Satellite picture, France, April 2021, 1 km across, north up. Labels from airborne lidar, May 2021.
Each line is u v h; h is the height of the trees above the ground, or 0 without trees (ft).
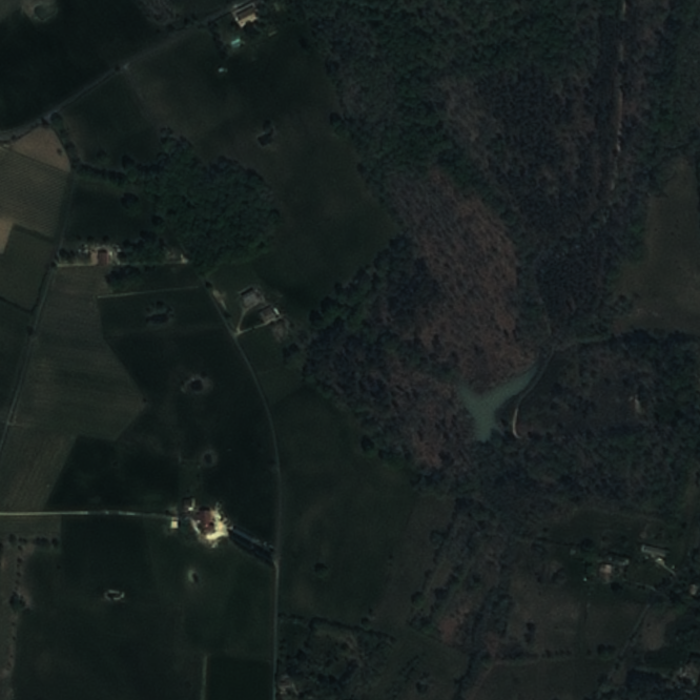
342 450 0
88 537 0
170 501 0
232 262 42
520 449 30
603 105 42
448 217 52
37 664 0
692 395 44
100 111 0
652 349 65
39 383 0
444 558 40
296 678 72
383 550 0
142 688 0
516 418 0
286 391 0
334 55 41
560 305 72
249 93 0
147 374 0
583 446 35
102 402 0
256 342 0
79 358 0
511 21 41
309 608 0
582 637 0
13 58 0
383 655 36
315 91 0
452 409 46
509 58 73
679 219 0
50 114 0
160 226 63
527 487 67
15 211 0
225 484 0
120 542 0
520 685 0
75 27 0
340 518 0
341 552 0
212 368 0
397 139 70
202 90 0
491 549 31
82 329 0
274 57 0
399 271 83
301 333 0
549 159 58
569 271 74
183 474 0
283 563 0
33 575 0
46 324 0
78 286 0
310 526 0
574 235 53
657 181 68
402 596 0
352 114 38
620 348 58
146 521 0
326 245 0
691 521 0
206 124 0
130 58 0
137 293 0
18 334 0
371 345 23
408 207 35
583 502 42
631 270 0
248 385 0
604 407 0
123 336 0
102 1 0
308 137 0
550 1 73
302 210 0
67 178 0
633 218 57
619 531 0
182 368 0
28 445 0
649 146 65
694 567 40
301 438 0
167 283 0
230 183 69
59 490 0
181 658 0
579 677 0
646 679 60
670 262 0
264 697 0
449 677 0
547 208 62
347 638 39
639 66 51
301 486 0
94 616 0
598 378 29
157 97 0
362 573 0
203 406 0
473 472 67
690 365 63
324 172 0
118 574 0
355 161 0
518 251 26
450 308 19
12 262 0
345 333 82
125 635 0
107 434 0
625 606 0
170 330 0
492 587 33
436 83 66
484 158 42
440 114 73
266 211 64
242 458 0
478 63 68
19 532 0
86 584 0
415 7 53
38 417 0
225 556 0
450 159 34
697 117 45
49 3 0
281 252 0
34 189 0
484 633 52
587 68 48
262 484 0
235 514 0
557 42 68
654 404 30
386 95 65
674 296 0
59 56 0
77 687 0
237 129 0
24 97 0
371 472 0
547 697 0
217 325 0
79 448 0
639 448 48
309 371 45
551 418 0
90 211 0
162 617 0
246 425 0
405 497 0
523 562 0
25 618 0
